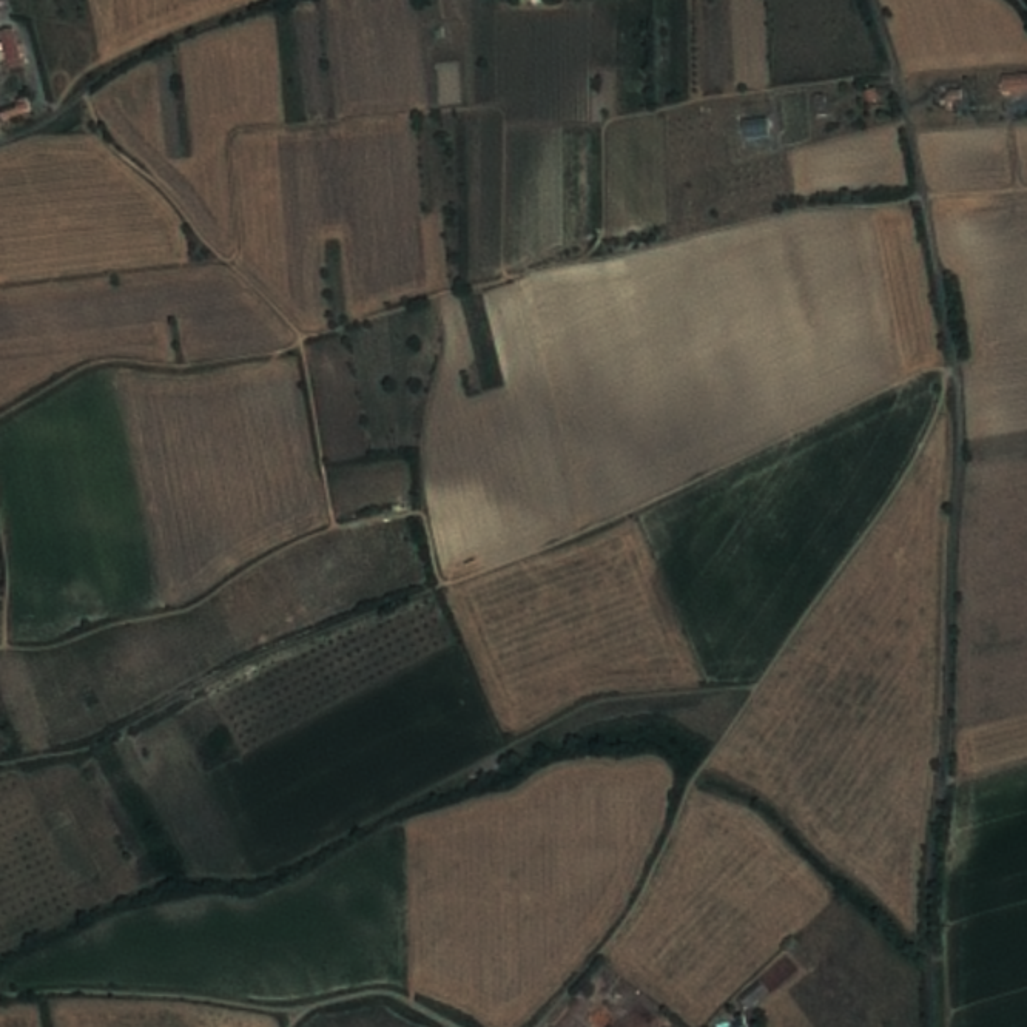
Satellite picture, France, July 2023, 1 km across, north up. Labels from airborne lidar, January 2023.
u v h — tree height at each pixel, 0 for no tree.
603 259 0
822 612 0
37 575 0
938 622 0
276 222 0
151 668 0
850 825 0
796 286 0
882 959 0
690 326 0
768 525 0
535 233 0
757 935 0
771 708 0
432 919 0
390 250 0
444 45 0
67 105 0
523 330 0
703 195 0
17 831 0
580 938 0
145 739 0
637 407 0
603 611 0
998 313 0
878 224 0
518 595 0
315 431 0
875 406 0
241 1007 0
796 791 0
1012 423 0
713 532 0
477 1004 0
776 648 0
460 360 0
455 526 0
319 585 0
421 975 0
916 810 0
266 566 0
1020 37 0
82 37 0
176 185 0
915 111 0
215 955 0
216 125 0
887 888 0
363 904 0
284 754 0
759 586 0
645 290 0
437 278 0
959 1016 0
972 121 0
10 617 0
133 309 0
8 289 0
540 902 0
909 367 0
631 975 0
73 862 0
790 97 0
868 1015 0
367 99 0
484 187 0
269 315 0
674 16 0
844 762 0
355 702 0
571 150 0
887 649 0
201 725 0
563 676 0
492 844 0
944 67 0
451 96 0
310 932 0
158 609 0
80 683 0
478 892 0
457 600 0
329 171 0
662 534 0
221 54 0
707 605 0
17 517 0
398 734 0
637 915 0
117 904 10
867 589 0
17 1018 0
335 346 0
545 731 0
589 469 0
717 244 0
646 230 6
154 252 0
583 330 0
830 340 0
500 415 0
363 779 0
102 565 0
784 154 0
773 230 0
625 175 0
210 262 0
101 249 0
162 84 0
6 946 0
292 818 0
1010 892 0
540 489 0
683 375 0
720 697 0
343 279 0
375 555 0
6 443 0
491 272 0
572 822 0
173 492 0
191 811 0
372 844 0
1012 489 0
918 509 0
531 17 0
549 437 0
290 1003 0
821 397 0
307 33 0
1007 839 0
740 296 0
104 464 0
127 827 0
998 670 0
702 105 0
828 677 0
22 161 0
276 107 0
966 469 0
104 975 0
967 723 0
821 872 7
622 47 0
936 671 0
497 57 0
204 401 0
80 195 0
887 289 0
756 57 0
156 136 0
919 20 0
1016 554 0
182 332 0
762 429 0
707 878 0
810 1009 0
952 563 0
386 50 0
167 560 0
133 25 0
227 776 0
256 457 0
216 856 0
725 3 0
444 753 0
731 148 0
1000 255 0
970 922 0
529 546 0
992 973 0
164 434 0
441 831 0
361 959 0
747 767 0
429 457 0
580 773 0
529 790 0
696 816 0
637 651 0
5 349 0
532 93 0
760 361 0
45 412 0
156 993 0
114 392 0
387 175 0
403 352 0
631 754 6
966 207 0
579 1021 0
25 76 0
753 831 0
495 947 0
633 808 0
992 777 0
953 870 0
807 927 0
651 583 0
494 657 0
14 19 6
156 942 0
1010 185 0
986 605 0
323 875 0
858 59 0
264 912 0
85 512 0
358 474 0
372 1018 0
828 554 0
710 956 0
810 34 0
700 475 0
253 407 0
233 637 0
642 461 0
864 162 0
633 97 0
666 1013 11
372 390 0
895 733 0
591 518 0
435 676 0
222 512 0
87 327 0
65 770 0
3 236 0
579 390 0
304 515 0
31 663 0
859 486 0
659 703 0
